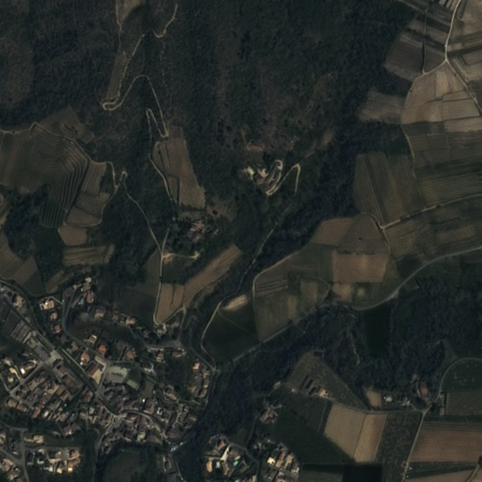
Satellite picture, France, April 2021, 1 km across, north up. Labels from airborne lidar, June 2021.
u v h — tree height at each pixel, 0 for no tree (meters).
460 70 0
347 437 0
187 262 0
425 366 22
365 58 22
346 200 21
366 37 23
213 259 18
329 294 12
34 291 0
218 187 8
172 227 14
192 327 14
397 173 0
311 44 15
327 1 18
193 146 13
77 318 10
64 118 0
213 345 0
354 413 0
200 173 8
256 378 13
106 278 7
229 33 8
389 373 27
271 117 6
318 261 0
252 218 20
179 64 8
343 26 19
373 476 0
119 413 0
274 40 19
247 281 19
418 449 0
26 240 7
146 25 8
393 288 0
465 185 0
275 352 15
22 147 0
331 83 8
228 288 24
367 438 0
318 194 36
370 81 18
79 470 17
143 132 13
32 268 0
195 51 11
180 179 0
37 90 9
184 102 8
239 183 20
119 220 16
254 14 13
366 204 0
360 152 17
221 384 7
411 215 6
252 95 9
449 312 23
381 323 0
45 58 10
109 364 0
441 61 0
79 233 0
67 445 0
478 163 0
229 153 10
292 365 12
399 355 22
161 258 0
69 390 5
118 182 9
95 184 0
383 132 10
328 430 0
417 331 7
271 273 0
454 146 0
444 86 0
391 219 0
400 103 0
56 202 0
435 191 0
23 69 7
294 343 11
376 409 10
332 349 21
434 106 0
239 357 0
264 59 12
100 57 8
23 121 8
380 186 0
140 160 9
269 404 14
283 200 17
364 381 17
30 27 8
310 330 9
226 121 7
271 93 8
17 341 0
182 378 13
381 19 17
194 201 0
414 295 15
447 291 23
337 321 23
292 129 9
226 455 0
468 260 0
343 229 0
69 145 0
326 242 0
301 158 8
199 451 12
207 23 6
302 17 13
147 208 8
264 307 0
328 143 0
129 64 8
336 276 0
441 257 0
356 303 0
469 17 0
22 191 0
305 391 0
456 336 22
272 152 11
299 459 6
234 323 0
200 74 7
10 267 0
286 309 0
